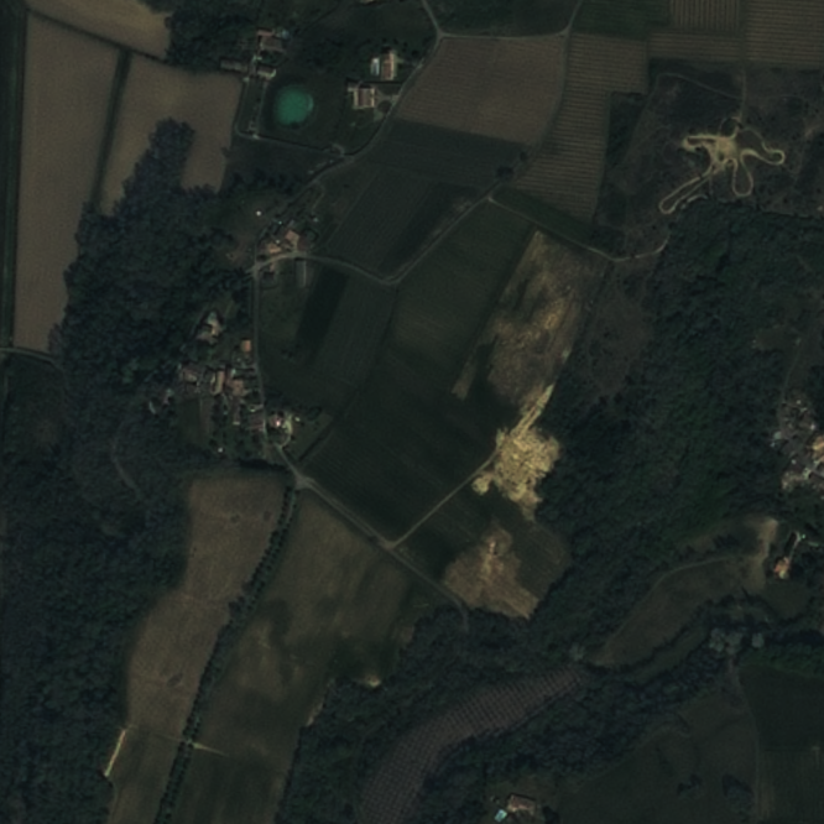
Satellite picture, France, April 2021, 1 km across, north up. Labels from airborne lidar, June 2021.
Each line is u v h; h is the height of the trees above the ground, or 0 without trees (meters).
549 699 27
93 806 21
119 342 22
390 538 0
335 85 0
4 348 0
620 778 0
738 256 22
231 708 0
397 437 0
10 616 18
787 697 0
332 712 10
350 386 0
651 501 17
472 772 23
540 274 0
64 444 8
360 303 0
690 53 0
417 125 0
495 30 0
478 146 0
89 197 0
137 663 0
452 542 0
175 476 19
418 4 13
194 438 0
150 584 21
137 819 0
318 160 0
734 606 12
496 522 0
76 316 16
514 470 0
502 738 19
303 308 0
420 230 0
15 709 21
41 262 0
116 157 0
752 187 0
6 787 19
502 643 8
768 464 11
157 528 20
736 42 0
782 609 0
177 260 20
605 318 0
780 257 11
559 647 18
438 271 0
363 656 0
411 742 28
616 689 18
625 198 0
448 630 16
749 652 20
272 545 8
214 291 15
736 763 0
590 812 0
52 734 26
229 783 0
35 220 0
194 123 0
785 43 0
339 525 0
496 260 0
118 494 17
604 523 22
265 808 0
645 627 0
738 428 23
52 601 19
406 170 0
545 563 0
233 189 7
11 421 18
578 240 0
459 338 0
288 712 0
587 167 0
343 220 0
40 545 19
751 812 19
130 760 0
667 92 0
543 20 0
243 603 12
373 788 30
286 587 0
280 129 0
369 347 0
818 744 0
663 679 13
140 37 0
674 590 0
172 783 7
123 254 21
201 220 23
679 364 20
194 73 16
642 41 0
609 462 14
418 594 0
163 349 15
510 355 0
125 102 0
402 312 0
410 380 0
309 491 0
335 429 0
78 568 20
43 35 0
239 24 16
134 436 18
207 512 0
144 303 23
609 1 0
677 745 0
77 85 0
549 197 0
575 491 17
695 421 15
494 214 0
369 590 0
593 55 0
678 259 13
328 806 25
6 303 0
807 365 0
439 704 19
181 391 19
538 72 0
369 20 0
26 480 16
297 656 0
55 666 27
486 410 0
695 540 16
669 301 16
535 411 0
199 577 0
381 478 0
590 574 20
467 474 0
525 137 0
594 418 15
